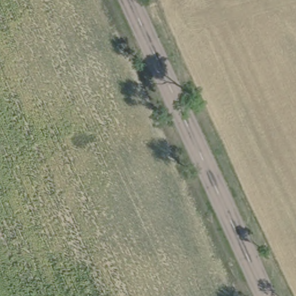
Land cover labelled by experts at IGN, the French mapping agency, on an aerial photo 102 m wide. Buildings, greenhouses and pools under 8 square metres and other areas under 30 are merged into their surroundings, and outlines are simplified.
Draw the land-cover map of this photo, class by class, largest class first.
<instances>
[{"label":"agricultural land","instance_id":"1","mask_svg":"<svg viewBox=\"0 0 296 296\"><path fill-rule=\"evenodd\" d=\"M102 0H0V296H237L234 288L224 286L228 281L227 272L221 259H217L213 252L212 238L207 235L202 217L195 208L194 199L188 195L187 184L183 176L179 175L176 166L182 164L179 156L185 149L184 148L168 145V142L162 140V129L153 126L151 112L157 106L164 105L161 92L155 83L151 81L147 87H143L136 73L143 68L141 54L129 47L127 38H118L119 32L109 23L108 16L102 10Z\"/></svg>","mask_w":296,"mask_h":296},{"label":"plowed land","instance_id":"2","mask_svg":"<svg viewBox=\"0 0 296 296\"><path fill-rule=\"evenodd\" d=\"M166 21L194 84L201 89V97L206 102L205 108L213 120L246 198L265 232L269 247L279 261L281 271L286 276L294 296H296V0H160Z\"/></svg>","mask_w":296,"mask_h":296},{"label":"herbaceous vegetation","instance_id":"3","mask_svg":"<svg viewBox=\"0 0 296 296\"><path fill-rule=\"evenodd\" d=\"M102 10L108 16L109 23L119 32L118 38H127L129 47L141 54L118 0H102ZM145 8L166 52L164 61H170L177 81L182 84V91H192L194 84L166 21L160 0H153ZM195 118L201 132L244 221L242 228L251 230V235H246L245 242L257 247L269 283L273 284L275 293L279 296H294L286 276L281 271L279 261L269 247L265 232L246 198L213 120L205 108L197 113ZM162 140L168 142V145L184 148L175 126L162 129ZM188 195L194 199L195 208L202 217L207 235L212 238L213 252L217 259H221L227 272L228 281L224 286L234 288L237 296H253L199 178L187 184Z\"/></svg>","mask_w":296,"mask_h":296},{"label":"impervious surface","instance_id":"4","mask_svg":"<svg viewBox=\"0 0 296 296\"><path fill-rule=\"evenodd\" d=\"M141 54L143 68L136 73L143 87H147L151 81L155 83L161 92L164 105L172 114L175 126L184 148L185 149L199 173V178L253 296H279L275 293L273 284L269 283L257 247L245 242L246 235H251V230L242 228L244 221L201 132L195 118L197 113L194 112L190 119L184 120L182 114L173 108V101H176L182 91V84L177 81L170 61H164L166 52L145 8L153 0H118Z\"/></svg>","mask_w":296,"mask_h":296},{"label":"deciduous trees","instance_id":"5","mask_svg":"<svg viewBox=\"0 0 296 296\"><path fill-rule=\"evenodd\" d=\"M206 102L201 97V89L194 84L192 91H182L176 101H173V108L182 114L184 120L190 119L194 112L197 113L205 108ZM153 126L162 129L175 126L172 114L164 105L157 106L151 112ZM182 164L176 166L179 175L183 176L187 184L199 178V173L185 149L179 156Z\"/></svg>","mask_w":296,"mask_h":296}]
</instances>
